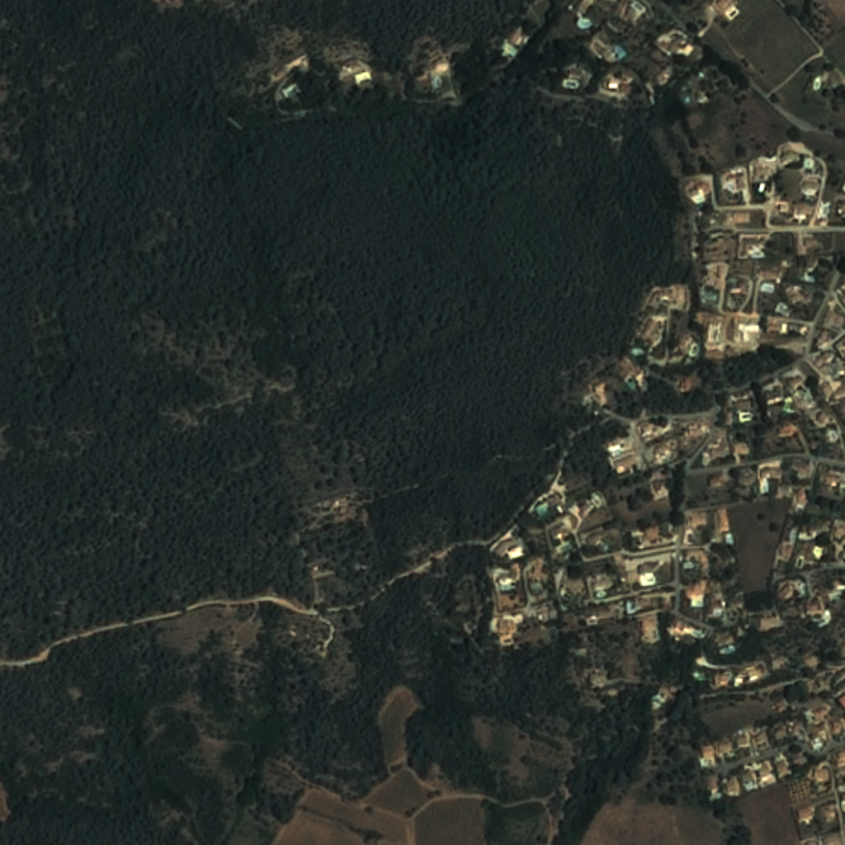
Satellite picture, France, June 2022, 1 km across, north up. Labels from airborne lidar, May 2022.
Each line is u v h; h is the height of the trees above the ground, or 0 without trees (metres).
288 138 16
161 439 11
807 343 0
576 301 15
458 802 0
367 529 15
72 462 6
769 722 7
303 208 12
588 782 10
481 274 12
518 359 15
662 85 6
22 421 14
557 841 9
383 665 18
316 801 0
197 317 13
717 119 0
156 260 17
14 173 8
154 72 14
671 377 13
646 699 9
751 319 0
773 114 0
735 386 9
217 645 9
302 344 15
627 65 9
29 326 15
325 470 19
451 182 18
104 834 11
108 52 7
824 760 6
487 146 22
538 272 11
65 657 9
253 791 11
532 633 0
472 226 14
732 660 6
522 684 9
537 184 17
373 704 19
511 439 15
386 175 19
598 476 17
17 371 20
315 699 9
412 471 7
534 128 19
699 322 10
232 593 7
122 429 13
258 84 6
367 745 7
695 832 0
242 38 6
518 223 10
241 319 9
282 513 21
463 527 6
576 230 17
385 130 21
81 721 7
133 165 17
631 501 15
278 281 7
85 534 19
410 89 9
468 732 17
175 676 12
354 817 0
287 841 0
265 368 6
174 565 18
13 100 6
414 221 17
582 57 11
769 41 0
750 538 0
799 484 8
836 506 16
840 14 0
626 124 10
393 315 10
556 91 19
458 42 18
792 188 0
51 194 13
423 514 14
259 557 10
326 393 13
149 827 12
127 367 18
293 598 11
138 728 12
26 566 17
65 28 12
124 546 18
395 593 18
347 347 17
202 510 16
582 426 7
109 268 19
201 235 13
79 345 18
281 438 9
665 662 16
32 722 12
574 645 8
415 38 18
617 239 7
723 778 6
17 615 19
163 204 17
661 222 13
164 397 8
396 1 17
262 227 13
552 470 19
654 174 14
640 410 17
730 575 11
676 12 0
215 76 19
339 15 6
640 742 16
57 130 17
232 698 8
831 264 7
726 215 0
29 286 19
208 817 9
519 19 11
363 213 16
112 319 16
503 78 11
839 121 0
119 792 17
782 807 0
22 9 14
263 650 8
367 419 19
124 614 20
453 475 17
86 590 19
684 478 10
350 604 14
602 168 12
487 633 7
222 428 14
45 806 8
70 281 14
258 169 15
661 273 13
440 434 15
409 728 7
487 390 16
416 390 15
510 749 0
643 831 0
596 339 12
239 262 15
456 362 18
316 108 8
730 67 20
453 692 7
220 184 20
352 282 17
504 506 5
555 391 14
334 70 8
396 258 13
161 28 14
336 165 19
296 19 17
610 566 9
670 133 6
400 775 0
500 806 7
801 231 0
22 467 11
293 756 13
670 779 12
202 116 15
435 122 16
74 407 18
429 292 21
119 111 16
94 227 14
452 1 9
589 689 6
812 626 12
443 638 7
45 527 15
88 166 8
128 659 11
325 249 16
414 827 0
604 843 0
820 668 11
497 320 19
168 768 9
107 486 15
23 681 13
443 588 12
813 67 8
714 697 7
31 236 11
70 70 8
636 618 7
